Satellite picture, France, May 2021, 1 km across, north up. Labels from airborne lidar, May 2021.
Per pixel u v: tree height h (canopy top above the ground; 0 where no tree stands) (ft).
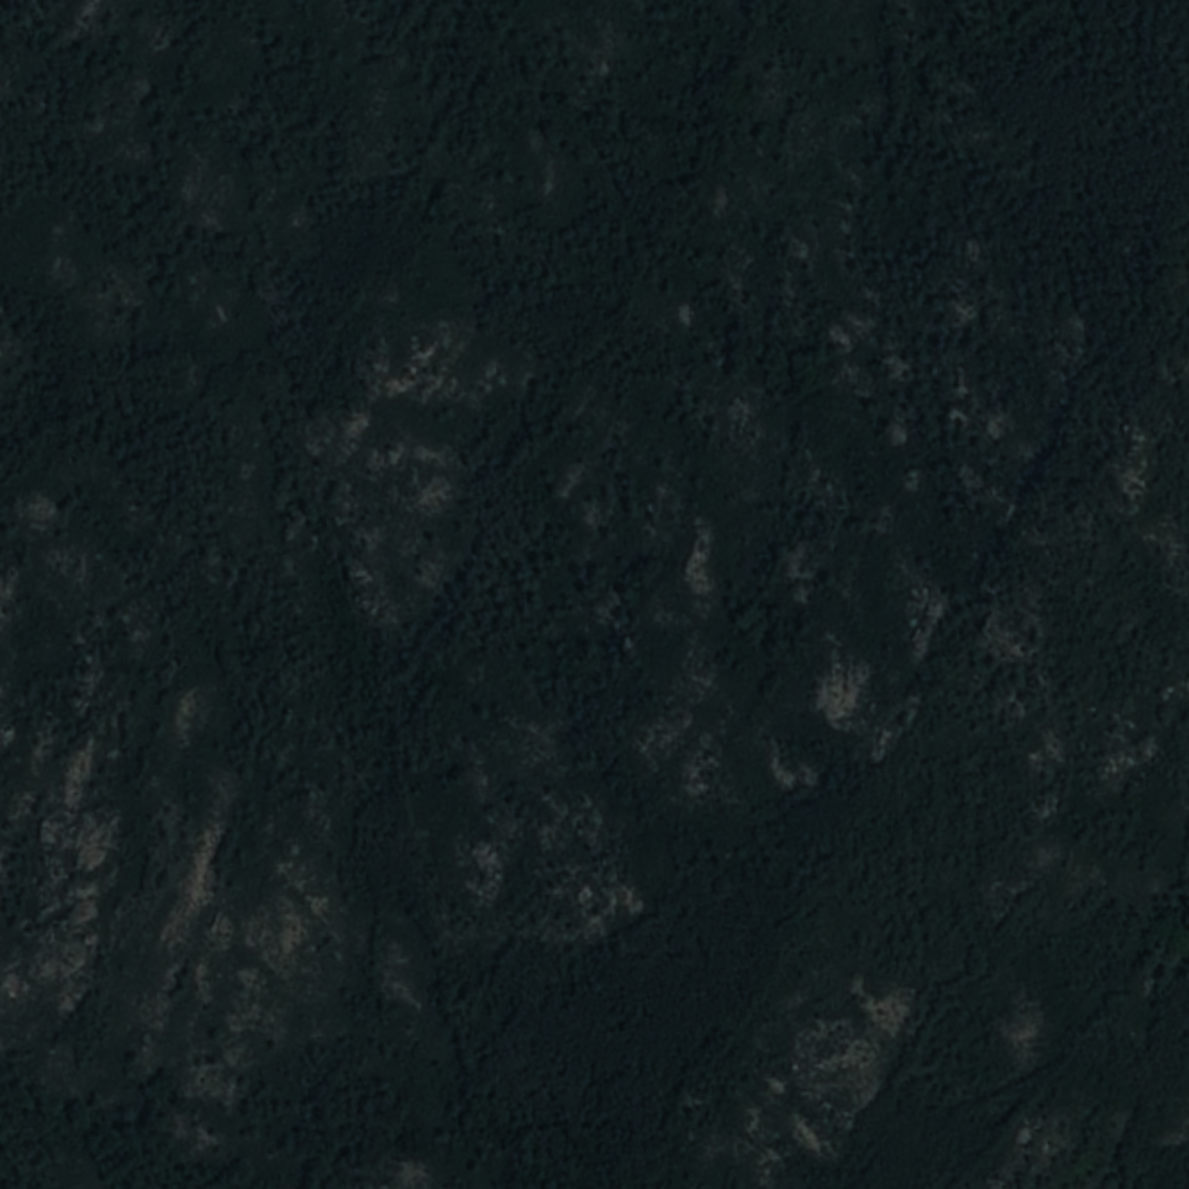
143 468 69
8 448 61
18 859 44
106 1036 41
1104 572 31
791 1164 23
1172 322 57
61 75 52
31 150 19
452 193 44
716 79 64
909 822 37
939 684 35
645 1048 55
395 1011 41
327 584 22
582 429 38
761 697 18
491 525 51
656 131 61
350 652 50
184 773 18
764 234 44
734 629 25
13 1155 52
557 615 41
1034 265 56
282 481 57
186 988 45
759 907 40
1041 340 48
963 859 37
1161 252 54
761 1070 22
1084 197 41
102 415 78
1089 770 31
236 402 36
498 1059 48
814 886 41
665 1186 26
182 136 43
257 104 52
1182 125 40
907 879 51
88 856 0
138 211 67
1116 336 47
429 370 30
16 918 40
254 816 41
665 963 54
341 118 50
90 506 29
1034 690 25
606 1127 36
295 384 24
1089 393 58
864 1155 23
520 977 49
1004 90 56
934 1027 29
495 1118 53
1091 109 54
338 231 37
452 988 69
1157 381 52
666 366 48
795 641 37
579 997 53
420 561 20
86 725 44
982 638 60
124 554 48
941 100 47
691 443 32
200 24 59
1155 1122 37
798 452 34
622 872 30
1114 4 55
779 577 36
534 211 42
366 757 34
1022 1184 37
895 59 62
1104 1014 40
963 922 42
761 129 42
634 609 23
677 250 46
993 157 31
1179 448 58
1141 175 45
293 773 44
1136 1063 43
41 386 46
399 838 63
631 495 38
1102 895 49
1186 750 25
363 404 52
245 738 31
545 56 40
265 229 37
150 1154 72
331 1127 73
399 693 22
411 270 34
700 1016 59
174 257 53
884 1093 24
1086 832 47
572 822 22
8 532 51
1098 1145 21
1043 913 36
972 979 41
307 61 33
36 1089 56
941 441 26
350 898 36
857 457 25
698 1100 34
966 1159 28
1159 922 45
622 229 43
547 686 44
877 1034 0
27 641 21
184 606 46
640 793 46
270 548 47
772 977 48
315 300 48
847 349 29
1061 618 35
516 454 59
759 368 20
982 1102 27
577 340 61
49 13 54
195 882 0
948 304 45
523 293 59
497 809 33
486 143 56
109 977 37
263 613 70
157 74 24
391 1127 72
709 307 48
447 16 82
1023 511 26
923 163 54
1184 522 31
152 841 32
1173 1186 19
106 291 29
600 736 49
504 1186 34
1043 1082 40
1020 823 28
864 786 49
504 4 18
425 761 56
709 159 33
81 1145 33
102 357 56
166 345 29
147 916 35
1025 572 31
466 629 80
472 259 49
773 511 50
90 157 34
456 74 42
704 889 48
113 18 41
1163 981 71
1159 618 47
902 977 26
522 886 33
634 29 17
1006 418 31
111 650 47
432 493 0
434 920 68
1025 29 27
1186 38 41
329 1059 39
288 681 54
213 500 43
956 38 53
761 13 67
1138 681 31
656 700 36
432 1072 20
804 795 33
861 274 34
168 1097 50
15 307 65
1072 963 30
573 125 83
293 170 44
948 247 41
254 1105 53
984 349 35
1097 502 38
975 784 48
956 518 46
